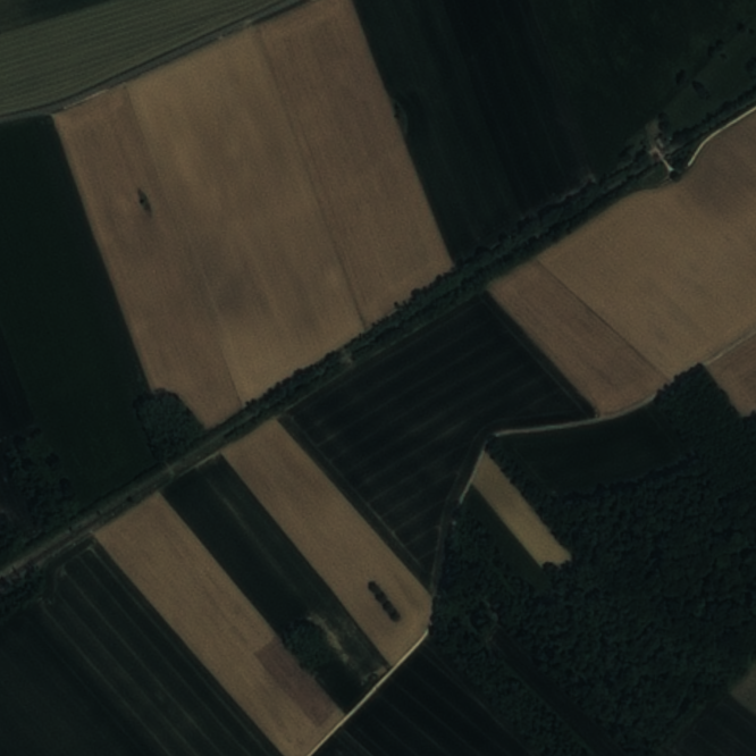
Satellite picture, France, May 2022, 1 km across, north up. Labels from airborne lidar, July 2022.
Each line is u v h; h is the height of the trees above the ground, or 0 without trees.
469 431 0
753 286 0
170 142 0
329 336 0
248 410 7
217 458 0
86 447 0
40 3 0
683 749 0
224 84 0
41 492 22
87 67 0
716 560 32
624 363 0
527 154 0
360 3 0
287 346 0
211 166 0
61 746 0
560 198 0
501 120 0
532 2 0
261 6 0
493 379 0
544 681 0
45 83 0
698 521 23
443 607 23
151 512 0
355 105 0
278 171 0
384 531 0
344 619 0
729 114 15
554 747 17
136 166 0
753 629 30
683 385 18
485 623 12
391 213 0
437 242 0
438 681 0
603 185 12
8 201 0
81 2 0
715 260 0
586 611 20
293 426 0
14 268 0
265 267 0
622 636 29
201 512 0
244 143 0
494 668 20
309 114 0
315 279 0
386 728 0
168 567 0
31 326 0
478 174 0
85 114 0
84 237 0
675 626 32
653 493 23
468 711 0
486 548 21
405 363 0
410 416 0
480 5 0
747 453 20
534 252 12
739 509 28
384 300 0
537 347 0
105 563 0
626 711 26
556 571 19
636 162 8
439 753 0
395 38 0
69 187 0
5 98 0
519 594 11
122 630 0
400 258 0
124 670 0
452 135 0
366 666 0
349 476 0
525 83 0
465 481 0
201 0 0
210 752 0
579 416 0
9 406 0
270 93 0
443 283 15
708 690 28
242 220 0
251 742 0
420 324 15
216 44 0
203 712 0
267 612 0
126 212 0
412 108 0
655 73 0
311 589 0
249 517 0
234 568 0
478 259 14
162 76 0
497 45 0
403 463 0
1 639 0
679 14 0
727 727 0
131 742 0
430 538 0
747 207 0
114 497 9
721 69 0
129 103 0
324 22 0
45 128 0
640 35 0
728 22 0
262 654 0
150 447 11
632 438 0
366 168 0
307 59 0
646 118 0
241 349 0
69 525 11
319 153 0
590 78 0
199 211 0
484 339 0
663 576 28
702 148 0
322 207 0
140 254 0
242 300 0
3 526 24
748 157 0
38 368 0
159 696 0
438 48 0
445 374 0
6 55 0
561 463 0
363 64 0
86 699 0
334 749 0
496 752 0
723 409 19
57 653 0
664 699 27
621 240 0
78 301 0
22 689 0
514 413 0
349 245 0
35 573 17
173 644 0
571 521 12
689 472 21
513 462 8
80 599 0
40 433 13
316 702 0
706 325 0
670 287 0
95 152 0
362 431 0
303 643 24
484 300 0
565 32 0
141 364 0
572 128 0
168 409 26
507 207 0
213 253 0
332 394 0
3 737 0
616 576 31
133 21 0
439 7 0
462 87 0
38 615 0
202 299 0
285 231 0
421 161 0
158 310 0
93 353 0
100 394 0
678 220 0
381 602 12
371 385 0
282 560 0
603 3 0
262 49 0
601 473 0
